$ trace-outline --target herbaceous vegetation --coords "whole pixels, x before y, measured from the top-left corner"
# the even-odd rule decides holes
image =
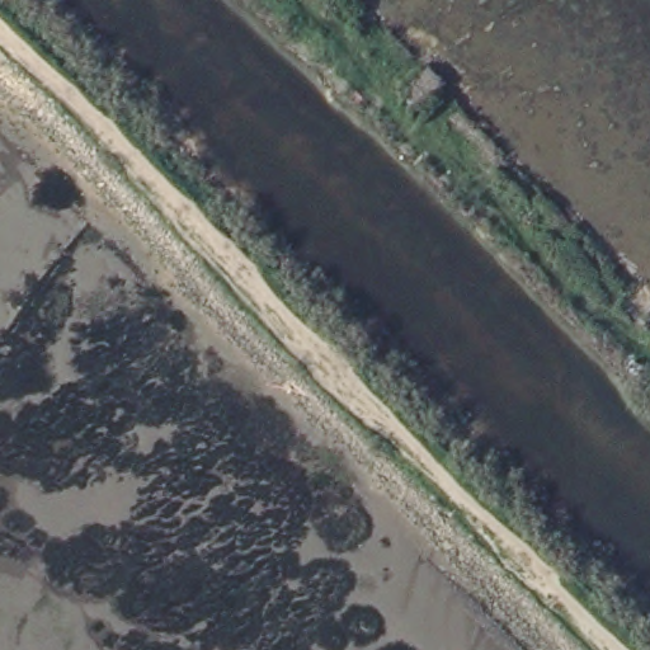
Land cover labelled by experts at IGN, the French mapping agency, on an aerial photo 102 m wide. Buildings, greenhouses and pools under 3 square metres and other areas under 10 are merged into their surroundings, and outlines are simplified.
[[[432,452],[432,457],[457,480],[457,485],[475,498],[477,505],[493,513],[513,536],[526,541],[548,566],[556,569],[561,587],[569,589],[579,599],[579,604],[622,642],[622,650],[637,650],[640,640],[617,617],[607,614],[604,604],[579,584],[579,579],[569,571],[559,566],[559,559],[554,559],[546,551],[541,541],[531,531],[526,531],[515,518],[498,500],[485,495],[482,488],[465,470],[454,465],[454,460],[439,447],[439,442],[429,432],[416,427],[411,414],[399,401],[394,401],[394,396],[383,386],[373,381],[368,371],[363,368],[363,363],[350,361],[353,371],[366,383],[366,388],[394,411],[394,416],[424,444],[424,449]]]
[[[503,152],[480,129],[472,127],[472,122],[460,109],[457,114],[442,112],[437,122],[416,119],[409,107],[419,104],[424,96],[432,94],[439,86],[439,79],[429,69],[416,66],[416,61],[411,61],[409,53],[401,51],[401,46],[388,36],[388,30],[358,33],[361,8],[350,0],[246,0],[254,8],[254,13],[267,20],[272,33],[284,46],[297,51],[297,56],[310,69],[325,76],[335,71],[348,86],[355,86],[368,99],[378,99],[386,114],[411,137],[416,147],[442,160],[447,185],[454,185],[462,193],[467,193],[480,208],[498,213],[508,223],[508,229],[518,234],[526,241],[526,246],[531,246],[538,254],[543,264],[551,267],[554,279],[566,292],[579,295],[589,282],[581,274],[576,274],[574,264],[566,259],[566,251],[546,236],[548,229],[559,229],[559,223],[564,221],[546,203],[543,196],[523,196],[498,170],[503,165]]]
[[[99,155],[99,160],[157,218],[163,231],[168,231],[183,246],[183,251],[190,254],[190,259],[203,269],[203,274],[246,317],[256,335],[297,373],[297,378],[312,394],[317,394],[322,404],[328,404],[348,427],[353,427],[378,454],[383,454],[406,477],[409,485],[421,490],[439,508],[439,513],[447,513],[454,528],[460,528],[462,536],[470,538],[470,543],[498,566],[505,581],[510,581],[546,617],[551,617],[576,650],[594,650],[554,597],[536,592],[523,581],[523,576],[518,576],[518,571],[508,569],[508,551],[503,548],[500,538],[488,526],[480,526],[472,515],[467,515],[457,503],[452,503],[434,480],[427,477],[421,467],[411,462],[411,452],[406,447],[401,447],[386,432],[368,427],[338,396],[333,396],[315,378],[310,363],[302,361],[289,345],[284,345],[284,340],[259,317],[251,295],[234,287],[221,267],[208,262],[201,249],[196,249],[188,241],[188,226],[175,226],[165,216],[163,206],[157,203],[157,193],[150,188],[150,183],[135,178],[127,170],[122,155],[112,152],[99,140],[99,135],[38,74],[33,74],[20,58],[15,58],[0,43],[0,56],[15,76],[25,79],[33,91],[43,94],[53,104],[53,109],[84,137],[84,142]]]
[[[310,312],[302,307],[302,295],[297,292],[297,287],[282,277],[267,262],[262,259],[256,264],[259,274],[264,277],[269,289],[284,302],[284,307],[325,340],[328,333],[315,325]]]

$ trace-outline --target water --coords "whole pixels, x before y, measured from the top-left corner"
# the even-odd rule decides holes
[[[614,597],[625,604],[632,604],[635,612],[645,617],[650,625],[650,424],[627,409],[622,391],[607,381],[602,371],[604,361],[594,363],[579,348],[584,338],[576,330],[566,335],[543,312],[538,302],[528,297],[528,292],[500,267],[500,254],[477,236],[472,226],[467,226],[460,216],[449,213],[442,206],[439,193],[414,170],[414,165],[399,152],[399,147],[381,142],[373,129],[373,122],[366,114],[355,114],[348,104],[343,104],[338,99],[338,91],[325,81],[325,76],[310,69],[297,56],[297,51],[284,46],[272,33],[267,20],[254,13],[254,8],[246,0],[53,0],[56,15],[69,15],[69,20],[81,25],[94,48],[117,53],[117,58],[122,61],[119,71],[152,81],[157,86],[160,104],[155,112],[155,122],[163,124],[168,132],[188,132],[198,140],[201,152],[196,155],[196,165],[203,170],[208,185],[213,185],[223,196],[223,201],[231,203],[244,196],[251,198],[249,218],[259,223],[259,234],[251,241],[267,244],[267,262],[282,277],[289,267],[322,269],[325,277],[330,277],[333,284],[343,289],[343,305],[335,312],[343,322],[350,322],[361,330],[366,353],[363,363],[363,368],[368,371],[371,366],[381,366],[391,373],[391,383],[411,381],[419,388],[421,399],[427,399],[434,406],[437,421],[457,439],[467,442],[467,460],[472,465],[480,457],[493,454],[493,477],[508,477],[508,472],[518,467],[523,508],[515,518],[526,531],[531,531],[541,541],[556,531],[559,536],[574,543],[574,569],[569,571],[579,579],[594,566],[594,561],[599,561],[607,576],[617,576]]]
[[[411,61],[416,61],[416,66],[429,69],[439,79],[439,86],[432,94],[439,102],[457,104],[460,109],[472,122],[472,127],[480,129],[503,152],[503,165],[498,170],[523,196],[543,196],[546,203],[564,221],[571,226],[576,226],[579,221],[589,221],[617,251],[617,256],[625,254],[637,264],[637,272],[632,274],[635,284],[650,289],[650,0],[350,0],[361,8],[358,33],[388,30],[388,36],[401,46],[401,51],[409,53]]]

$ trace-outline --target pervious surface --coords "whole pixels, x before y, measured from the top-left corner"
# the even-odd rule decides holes
[[[579,599],[569,589],[561,587],[556,569],[548,566],[526,541],[513,536],[493,513],[477,505],[475,498],[457,485],[457,480],[432,457],[432,452],[424,449],[424,444],[394,416],[394,411],[366,388],[366,383],[353,371],[350,361],[325,340],[284,307],[284,302],[269,289],[264,277],[259,274],[256,264],[236,249],[234,241],[229,241],[211,226],[211,221],[198,211],[198,206],[188,196],[183,196],[122,135],[114,119],[94,109],[89,99],[69,79],[63,79],[41,53],[30,48],[28,41],[23,41],[0,18],[0,43],[15,58],[20,58],[33,74],[38,74],[99,135],[99,140],[112,152],[122,155],[127,170],[135,178],[150,183],[150,188],[157,193],[157,203],[163,206],[165,216],[175,226],[188,226],[188,241],[196,249],[201,249],[208,262],[221,267],[234,287],[251,295],[259,317],[284,340],[284,345],[289,345],[302,361],[310,363],[315,378],[333,396],[338,396],[368,427],[386,432],[401,447],[406,447],[411,452],[411,462],[421,467],[427,477],[434,480],[452,503],[457,503],[467,515],[472,515],[480,526],[488,526],[500,538],[503,548],[508,551],[508,569],[518,571],[518,576],[523,576],[523,581],[536,592],[554,597],[594,650],[622,650],[622,642],[579,604]]]
[[[203,274],[203,269],[190,259],[190,254],[183,251],[183,246],[168,231],[163,231],[157,218],[99,160],[99,155],[84,142],[84,137],[53,109],[53,104],[43,94],[33,91],[25,79],[15,76],[0,56],[0,109],[8,117],[18,119],[18,127],[25,129],[38,145],[56,150],[63,163],[61,170],[74,178],[84,198],[89,196],[94,203],[104,206],[107,213],[114,216],[122,229],[132,231],[142,249],[150,251],[152,262],[163,269],[163,282],[157,287],[165,289],[170,295],[173,307],[188,317],[196,315],[198,320],[203,320],[208,330],[239,355],[239,366],[244,366],[251,373],[264,396],[274,399],[284,394],[295,404],[297,414],[310,416],[315,427],[320,427],[330,439],[348,447],[348,454],[358,460],[361,470],[371,477],[373,490],[388,495],[396,503],[396,510],[414,523],[424,541],[432,541],[437,548],[442,548],[442,554],[449,561],[460,561],[454,571],[457,579],[465,587],[470,587],[477,597],[482,597],[495,612],[500,612],[500,617],[510,622],[510,627],[518,632],[521,642],[528,650],[576,650],[551,617],[546,617],[510,581],[505,581],[498,566],[470,543],[470,538],[462,536],[460,528],[454,528],[447,513],[439,513],[439,508],[421,490],[409,485],[406,477],[383,454],[378,454],[353,427],[348,427],[328,404],[322,404],[317,394],[312,394],[297,378],[297,373],[256,335],[246,317]]]

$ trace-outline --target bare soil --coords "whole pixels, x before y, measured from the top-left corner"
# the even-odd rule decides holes
[[[203,320],[198,320],[196,315],[188,317],[190,325],[185,330],[175,330],[173,325],[168,325],[165,340],[157,340],[155,345],[163,350],[196,350],[198,373],[203,381],[226,381],[241,394],[264,396],[251,373],[244,366],[239,366],[239,355],[208,330]]]
[[[236,556],[249,556],[259,548],[284,554],[282,543],[244,546],[241,538],[236,538],[236,531],[244,531],[244,523],[221,523],[208,510],[208,515],[203,515],[201,521],[208,523],[211,533],[206,541],[196,546],[196,554],[234,546]]]
[[[201,650],[201,642],[190,640],[196,632],[206,630],[206,622],[196,622],[183,632],[157,632],[150,625],[122,620],[114,612],[114,604],[124,597],[124,589],[114,589],[107,599],[94,599],[91,594],[96,592],[96,576],[89,571],[81,574],[81,589],[74,592],[71,584],[56,584],[48,579],[43,561],[18,561],[10,556],[0,556],[0,650],[94,650],[96,642],[91,635],[99,632],[104,625],[117,635],[137,632],[155,650]]]
[[[173,434],[193,432],[193,424],[140,424],[119,437],[119,449],[145,454],[152,449],[155,442],[163,442],[173,460]]]
[[[277,587],[269,589],[269,599],[262,604],[262,612],[269,612],[279,602],[279,594],[287,589],[292,589],[292,602],[310,599],[310,592],[297,579],[287,579],[277,581]]]
[[[211,508],[211,503],[218,495],[229,495],[234,505],[241,503],[239,488],[267,485],[267,477],[234,477],[223,472],[223,465],[234,462],[234,454],[223,454],[211,467],[211,475],[221,480],[221,485],[211,488],[206,495],[193,498],[190,493],[175,495],[157,490],[155,500]]]
[[[371,640],[368,645],[348,640],[345,650],[528,650],[521,642],[518,632],[510,627],[510,622],[500,617],[500,612],[495,612],[482,597],[477,597],[470,587],[465,587],[457,579],[454,571],[460,561],[449,561],[442,554],[442,548],[437,548],[432,541],[424,541],[414,523],[396,510],[396,503],[388,495],[373,490],[371,477],[361,470],[358,460],[348,454],[348,447],[330,439],[320,427],[315,427],[310,416],[297,414],[295,404],[284,394],[274,399],[277,406],[292,416],[297,434],[305,434],[310,444],[343,452],[348,470],[355,472],[353,493],[363,500],[366,510],[373,518],[371,538],[361,543],[355,551],[330,551],[325,541],[317,536],[315,521],[305,521],[305,538],[297,548],[300,564],[310,564],[315,559],[345,561],[355,574],[355,589],[333,612],[333,620],[343,620],[348,609],[355,604],[373,607],[383,617],[386,630],[378,640]]]
[[[74,289],[74,312],[66,317],[63,330],[56,335],[56,343],[48,345],[48,371],[53,376],[51,386],[38,394],[0,401],[0,411],[18,416],[23,406],[43,404],[61,391],[63,383],[79,381],[74,358],[91,348],[109,348],[109,340],[89,343],[84,335],[74,333],[74,325],[109,320],[117,310],[137,310],[142,305],[142,292],[147,287],[157,287],[163,282],[163,269],[152,262],[150,251],[142,249],[132,231],[122,229],[114,216],[107,213],[104,206],[94,203],[89,196],[84,198],[81,206],[69,206],[63,211],[33,206],[33,193],[41,183],[41,175],[53,168],[61,170],[63,163],[56,150],[38,145],[25,129],[18,127],[18,119],[8,117],[0,109],[0,330],[10,328],[10,322],[18,317],[20,310],[10,305],[10,292],[25,292],[28,274],[43,277],[48,264],[53,264],[63,254],[66,244],[81,229],[94,226],[96,231],[102,231],[102,236],[94,244],[79,246],[74,256],[74,269],[66,274],[66,284]]]
[[[129,510],[135,510],[132,505],[137,503],[137,490],[147,488],[155,477],[170,475],[170,467],[160,467],[150,475],[137,477],[132,472],[107,467],[104,482],[69,488],[58,493],[46,493],[33,480],[0,472],[0,528],[5,518],[15,510],[28,513],[41,531],[46,531],[53,538],[79,536],[84,526],[94,523],[119,526],[129,518]]]

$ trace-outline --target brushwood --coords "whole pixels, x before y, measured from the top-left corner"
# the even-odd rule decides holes
[[[424,96],[419,104],[409,107],[416,119],[437,122],[442,112],[457,114],[460,109],[457,104],[439,102],[432,94]]]
[[[94,650],[155,650],[137,632],[117,635],[104,625],[99,632],[91,635],[96,642]]]
[[[71,584],[74,592],[81,589],[81,574],[89,571],[96,576],[96,592],[91,594],[94,599],[107,599],[114,589],[124,589],[124,597],[114,604],[114,612],[122,620],[150,625],[157,632],[183,632],[196,622],[206,622],[206,630],[196,632],[190,640],[201,642],[201,650],[345,650],[348,640],[368,645],[371,640],[378,640],[386,630],[383,617],[373,607],[355,604],[348,609],[343,620],[333,620],[333,612],[355,589],[355,574],[345,561],[315,559],[310,564],[300,564],[297,548],[305,538],[305,521],[315,521],[317,536],[325,541],[330,551],[355,551],[361,543],[371,538],[373,518],[366,510],[363,500],[353,493],[355,472],[348,470],[343,452],[310,444],[305,434],[297,434],[292,416],[277,406],[274,399],[264,396],[241,394],[226,381],[203,381],[198,373],[196,350],[163,350],[155,345],[157,340],[165,340],[168,325],[173,325],[175,330],[185,330],[190,325],[188,317],[173,307],[170,295],[165,289],[157,287],[147,287],[142,292],[142,305],[137,310],[117,310],[109,320],[74,325],[74,333],[84,335],[89,343],[109,340],[109,348],[91,348],[74,358],[79,381],[63,383],[61,391],[43,404],[23,406],[18,416],[0,411],[0,472],[33,480],[46,493],[58,493],[69,488],[104,482],[107,467],[132,472],[137,477],[150,475],[160,467],[170,467],[170,475],[155,477],[147,488],[137,490],[137,503],[132,505],[135,510],[129,510],[129,518],[119,526],[94,523],[84,526],[79,536],[53,538],[46,531],[41,531],[28,513],[15,510],[5,518],[0,528],[0,556],[10,556],[18,561],[43,561],[48,579],[56,584]],[[152,449],[145,454],[119,449],[119,437],[140,424],[193,424],[193,432],[173,434],[173,460],[163,442],[155,442]],[[234,462],[223,465],[223,472],[234,477],[267,477],[267,485],[239,488],[241,503],[234,505],[229,495],[218,495],[211,503],[211,508],[155,500],[157,490],[175,495],[190,493],[193,498],[206,495],[211,488],[221,485],[221,480],[211,475],[211,467],[223,454],[234,454]],[[282,543],[284,554],[259,548],[249,556],[236,556],[234,546],[196,554],[196,546],[206,541],[211,533],[208,523],[201,521],[203,515],[208,515],[208,510],[221,523],[244,523],[244,531],[236,531],[236,538],[241,538],[244,546]],[[269,599],[269,589],[277,587],[277,581],[287,579],[297,579],[310,592],[310,599],[292,602],[292,589],[287,589],[279,594],[279,602],[269,612],[262,612],[262,604]]]
[[[556,531],[541,541],[546,551],[554,559],[559,559],[559,566],[569,571],[574,569],[574,543],[559,536]]]
[[[28,41],[30,48],[41,53],[63,79],[69,79],[89,99],[94,109],[114,119],[122,135],[183,196],[188,196],[198,206],[198,211],[211,221],[211,226],[229,241],[234,241],[236,249],[256,264],[262,259],[267,262],[267,244],[251,241],[259,234],[259,223],[249,218],[251,198],[244,196],[231,203],[223,201],[223,196],[213,185],[208,185],[203,170],[196,165],[196,155],[201,152],[198,140],[188,132],[168,132],[163,124],[155,122],[155,112],[160,104],[157,86],[152,81],[119,71],[122,61],[117,58],[117,53],[94,48],[81,25],[69,20],[69,15],[56,15],[53,0],[0,0],[0,18],[23,41]]]
[[[282,277],[297,287],[297,292],[302,295],[302,307],[310,312],[315,325],[328,333],[325,340],[350,361],[363,363],[366,353],[361,330],[350,322],[343,322],[335,312],[343,305],[343,289],[333,284],[330,277],[325,277],[322,269],[289,267]]]
[[[449,213],[460,216],[467,226],[472,226],[477,236],[500,254],[500,267],[528,292],[528,297],[538,302],[543,312],[566,335],[576,330],[584,338],[579,348],[594,363],[604,361],[602,371],[607,381],[622,391],[627,409],[650,424],[650,289],[635,284],[632,274],[637,272],[637,264],[625,254],[617,256],[617,251],[589,221],[579,221],[576,226],[571,226],[564,221],[559,223],[559,229],[548,229],[546,236],[566,251],[566,259],[574,264],[576,274],[581,274],[589,282],[579,295],[566,292],[554,279],[551,267],[543,264],[538,254],[531,246],[526,246],[526,241],[518,234],[508,229],[508,223],[498,213],[480,208],[467,193],[462,193],[454,185],[447,185],[442,160],[416,147],[411,137],[386,114],[378,99],[368,99],[355,86],[348,86],[335,71],[325,76],[325,81],[338,91],[338,99],[343,104],[348,104],[355,114],[366,114],[373,122],[373,129],[381,142],[399,147],[399,152],[414,165],[414,170],[439,193],[442,206]]]
[[[482,488],[485,495],[498,500],[515,518],[523,508],[518,467],[508,472],[508,477],[493,477],[493,454],[480,457],[472,465],[467,460],[467,442],[457,439],[437,421],[434,406],[427,399],[421,399],[419,388],[411,381],[391,383],[391,373],[381,366],[371,366],[368,371],[373,381],[383,386],[394,396],[394,401],[399,401],[411,414],[416,427],[429,432],[439,442],[439,447],[454,460],[454,465],[465,470]]]
[[[650,625],[645,617],[635,612],[632,604],[625,604],[614,597],[617,576],[607,576],[599,561],[594,561],[594,566],[579,579],[579,584],[604,604],[607,614],[617,617],[640,640],[637,650],[650,650]]]
[[[69,206],[81,206],[84,198],[74,178],[61,170],[53,168],[41,175],[41,183],[33,193],[33,206],[63,211]]]
[[[10,328],[0,330],[0,401],[38,394],[51,386],[53,376],[48,371],[48,345],[56,343],[56,335],[63,330],[66,317],[74,312],[74,289],[66,284],[66,274],[74,269],[74,256],[79,246],[94,244],[102,236],[102,231],[96,231],[94,226],[81,229],[66,244],[63,254],[53,264],[48,264],[43,277],[28,274],[25,292],[10,292],[10,305],[20,310],[18,317],[10,322]]]

